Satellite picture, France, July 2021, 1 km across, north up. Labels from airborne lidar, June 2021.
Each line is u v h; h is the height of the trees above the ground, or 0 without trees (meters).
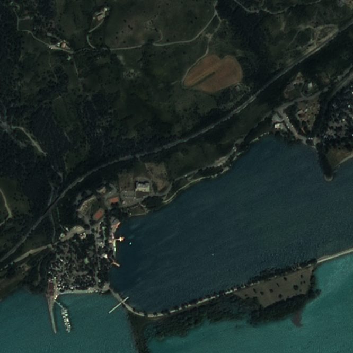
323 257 0
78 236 12
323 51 9
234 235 0
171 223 0
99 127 9
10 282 0
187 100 0
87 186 17
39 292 6
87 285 9
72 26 0
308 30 7
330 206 0
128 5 0
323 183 0
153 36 0
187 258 0
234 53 0
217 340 0
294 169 0
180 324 12
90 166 13
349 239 0
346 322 0
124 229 0
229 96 11
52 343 0
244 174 0
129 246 0
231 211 0
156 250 0
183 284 0
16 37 9
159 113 0
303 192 0
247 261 0
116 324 0
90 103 8
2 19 15
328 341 0
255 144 0
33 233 9
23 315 0
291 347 0
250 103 6
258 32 15
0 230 8
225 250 0
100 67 5
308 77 8
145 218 0
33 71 8
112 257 7
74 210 13
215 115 9
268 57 8
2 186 0
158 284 0
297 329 0
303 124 13
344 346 0
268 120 9
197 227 0
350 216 0
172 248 0
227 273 0
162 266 0
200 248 0
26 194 12
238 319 12
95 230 12
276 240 0
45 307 0
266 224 0
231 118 11
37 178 16
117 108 0
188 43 0
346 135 8
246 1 10
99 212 0
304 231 0
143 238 0
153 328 9
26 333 0
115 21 0
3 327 0
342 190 0
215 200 0
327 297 0
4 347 0
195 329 0
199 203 0
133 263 0
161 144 16
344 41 9
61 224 9
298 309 15
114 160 10
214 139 9
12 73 8
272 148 0
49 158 19
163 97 0
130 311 0
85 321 0
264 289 0
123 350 0
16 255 7
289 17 0
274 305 11
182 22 0
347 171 0
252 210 0
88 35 7
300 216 0
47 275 8
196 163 0
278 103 6
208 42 0
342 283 0
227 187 0
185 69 0
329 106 15
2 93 7
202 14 0
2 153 17
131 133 0
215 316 8
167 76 0
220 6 10
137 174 0
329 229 0
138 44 0
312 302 0
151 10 0
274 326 0
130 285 0
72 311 0
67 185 7
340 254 0
